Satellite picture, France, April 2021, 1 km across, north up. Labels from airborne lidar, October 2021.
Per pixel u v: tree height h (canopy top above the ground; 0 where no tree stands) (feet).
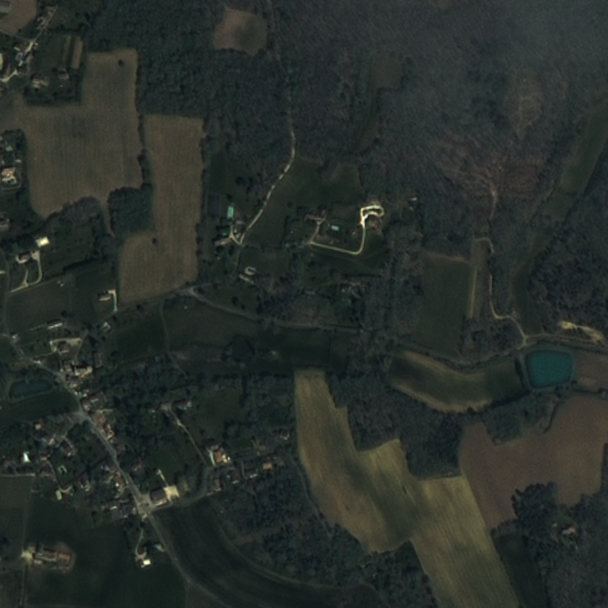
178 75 55
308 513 47
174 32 47
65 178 0
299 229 0
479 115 53
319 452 0
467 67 39
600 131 0
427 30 42
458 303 0
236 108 63
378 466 0
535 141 45
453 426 55
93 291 0
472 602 0
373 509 0
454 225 54
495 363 48
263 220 0
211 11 73
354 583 60
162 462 0
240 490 37
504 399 0
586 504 63
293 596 0
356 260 0
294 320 55
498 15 55
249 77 58
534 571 0
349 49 63
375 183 62
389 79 0
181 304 60
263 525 32
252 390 60
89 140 0
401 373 0
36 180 0
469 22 52
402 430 51
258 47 0
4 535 0
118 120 0
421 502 0
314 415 0
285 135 72
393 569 38
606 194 51
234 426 40
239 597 0
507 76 55
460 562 0
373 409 40
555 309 38
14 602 0
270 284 51
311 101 65
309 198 0
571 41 67
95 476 52
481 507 0
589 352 22
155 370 69
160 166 0
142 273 0
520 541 0
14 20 0
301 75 55
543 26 70
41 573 0
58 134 0
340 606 0
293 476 47
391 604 25
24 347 0
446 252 65
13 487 0
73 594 0
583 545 61
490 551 0
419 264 0
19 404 0
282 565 24
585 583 58
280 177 47
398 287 61
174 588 0
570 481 0
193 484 52
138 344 0
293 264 43
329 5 58
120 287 0
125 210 78
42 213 0
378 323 60
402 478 0
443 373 0
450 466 52
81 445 37
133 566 0
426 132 63
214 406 0
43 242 0
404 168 75
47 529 0
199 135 0
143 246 0
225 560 0
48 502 0
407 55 59
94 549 0
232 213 0
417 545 0
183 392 31
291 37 68
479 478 0
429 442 62
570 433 0
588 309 41
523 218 50
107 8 56
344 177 0
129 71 0
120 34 67
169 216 0
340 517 0
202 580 0
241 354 21
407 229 77
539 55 84
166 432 36
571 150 37
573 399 0
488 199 44
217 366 0
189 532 0
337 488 0
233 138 51
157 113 53
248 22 0
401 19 66
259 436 50
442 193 55
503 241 52
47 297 0
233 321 0
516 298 0
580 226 45
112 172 0
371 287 52
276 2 49
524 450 0
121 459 30
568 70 66
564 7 57
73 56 0
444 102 55
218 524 0
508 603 0
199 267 0
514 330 45
